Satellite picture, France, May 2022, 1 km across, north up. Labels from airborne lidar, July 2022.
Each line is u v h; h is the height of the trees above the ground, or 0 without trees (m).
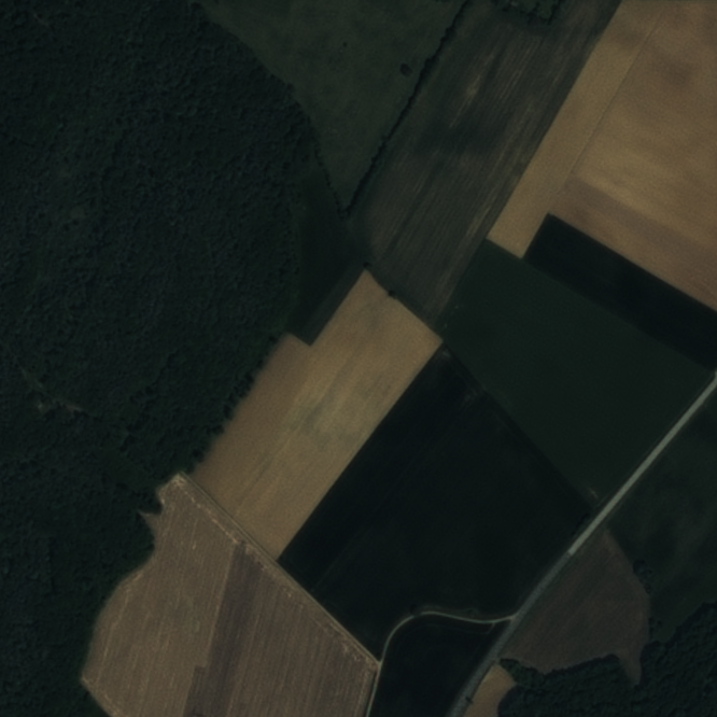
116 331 17
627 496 0
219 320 20
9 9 21
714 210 0
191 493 0
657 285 0
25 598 28
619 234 0
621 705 18
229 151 26
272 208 21
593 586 0
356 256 0
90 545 23
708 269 0
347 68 0
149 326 23
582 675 16
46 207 12
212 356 22
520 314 0
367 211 0
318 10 0
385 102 0
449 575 0
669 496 0
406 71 19
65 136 10
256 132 26
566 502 0
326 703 0
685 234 0
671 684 22
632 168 0
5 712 22
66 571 28
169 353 19
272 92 22
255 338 25
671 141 0
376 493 0
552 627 0
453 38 15
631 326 0
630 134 0
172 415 17
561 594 0
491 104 0
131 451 22
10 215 17
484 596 0
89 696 11
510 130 0
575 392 0
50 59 16
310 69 0
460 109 0
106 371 20
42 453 24
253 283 22
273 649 0
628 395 0
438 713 0
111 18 17
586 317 0
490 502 0
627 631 0
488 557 0
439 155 0
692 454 0
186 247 18
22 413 23
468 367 0
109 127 8
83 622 24
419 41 0
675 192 0
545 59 0
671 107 0
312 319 0
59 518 27
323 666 0
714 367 0
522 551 0
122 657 0
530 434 0
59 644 18
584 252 0
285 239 21
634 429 0
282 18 0
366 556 0
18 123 18
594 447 0
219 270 20
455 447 0
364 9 0
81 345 17
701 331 0
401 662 0
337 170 0
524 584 0
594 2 0
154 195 19
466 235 0
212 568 0
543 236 0
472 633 0
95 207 13
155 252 23
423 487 0
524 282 0
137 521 16
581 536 0
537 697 21
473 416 0
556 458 0
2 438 26
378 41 0
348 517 0
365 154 0
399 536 0
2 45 13
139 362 23
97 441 20
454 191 0
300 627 0
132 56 7
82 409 21
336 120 0
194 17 21
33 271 11
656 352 0
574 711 22
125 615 0
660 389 0
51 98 18
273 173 19
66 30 19
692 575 0
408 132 0
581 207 0
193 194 21
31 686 20
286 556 0
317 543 0
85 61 17
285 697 0
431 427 0
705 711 27
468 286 0
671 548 0
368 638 0
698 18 0
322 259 0
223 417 18
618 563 0
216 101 22
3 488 25
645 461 0
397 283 0
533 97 0
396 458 0
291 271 22
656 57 0
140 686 0
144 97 20
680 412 0
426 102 0
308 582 0
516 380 0
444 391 0
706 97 0
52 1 24
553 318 0
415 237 0
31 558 26
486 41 0
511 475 0
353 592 0
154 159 16
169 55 17
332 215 0
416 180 0
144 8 15
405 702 0
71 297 12
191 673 0
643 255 0
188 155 20
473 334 0
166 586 0
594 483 0
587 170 0
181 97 17
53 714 27
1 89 10
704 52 0
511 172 0
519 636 0
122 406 18
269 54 0
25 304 14
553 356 0
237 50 17
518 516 0
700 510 0
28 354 16
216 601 0
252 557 0
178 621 0
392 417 0
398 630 0
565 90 0
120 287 18
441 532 0
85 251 10
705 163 0
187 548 0
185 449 23
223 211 19
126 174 19
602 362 0
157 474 17
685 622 0
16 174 15
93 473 25
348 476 0
